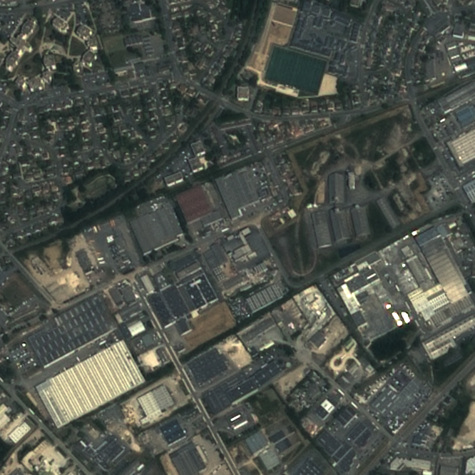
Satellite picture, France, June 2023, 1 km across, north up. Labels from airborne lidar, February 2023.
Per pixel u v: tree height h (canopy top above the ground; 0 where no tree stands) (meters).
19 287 0
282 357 0
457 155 0
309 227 0
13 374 7
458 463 0
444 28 0
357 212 0
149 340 0
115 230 0
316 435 0
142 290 0
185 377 0
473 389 0
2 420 0
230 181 0
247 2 17
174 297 0
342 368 0
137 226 0
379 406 0
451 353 11
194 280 0
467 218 14
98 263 0
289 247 0
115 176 13
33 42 0
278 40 0
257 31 9
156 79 0
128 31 10
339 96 10
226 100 0
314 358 0
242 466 0
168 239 0
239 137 7
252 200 0
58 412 0
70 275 0
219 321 0
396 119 0
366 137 0
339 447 0
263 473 0
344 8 6
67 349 0
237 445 0
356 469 0
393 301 0
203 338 0
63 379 0
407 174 0
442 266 0
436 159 7
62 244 0
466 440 0
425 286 0
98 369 0
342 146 0
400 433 0
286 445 0
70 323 0
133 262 0
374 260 0
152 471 0
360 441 0
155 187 0
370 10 0
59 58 0
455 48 0
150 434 0
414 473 6
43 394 0
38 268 0
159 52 0
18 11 0
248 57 10
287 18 0
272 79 0
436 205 0
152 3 6
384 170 0
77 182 6
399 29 0
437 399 0
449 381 0
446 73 0
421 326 0
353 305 0
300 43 0
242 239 0
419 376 0
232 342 0
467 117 0
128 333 0
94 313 0
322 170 0
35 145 0
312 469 0
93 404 0
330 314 0
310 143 0
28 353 0
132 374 0
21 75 0
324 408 0
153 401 0
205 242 0
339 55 0
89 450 0
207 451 0
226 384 0
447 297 0
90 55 0
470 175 0
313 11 0
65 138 13
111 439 0
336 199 0
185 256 0
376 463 0
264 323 0
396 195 0
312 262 0
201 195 0
